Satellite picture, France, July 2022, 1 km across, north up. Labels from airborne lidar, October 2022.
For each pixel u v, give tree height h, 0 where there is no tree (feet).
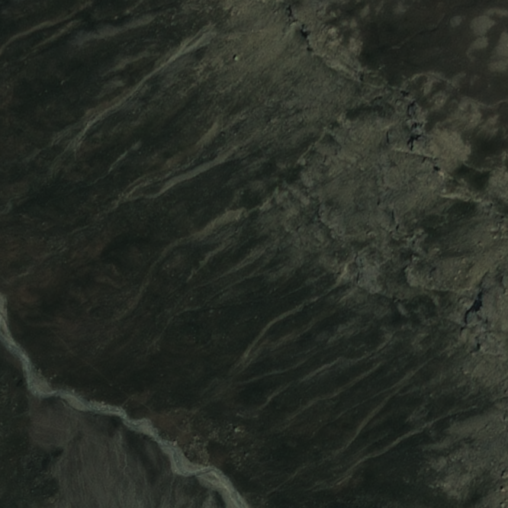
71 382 0
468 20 0
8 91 0
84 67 0
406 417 0
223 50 0
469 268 0
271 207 0
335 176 0
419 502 0
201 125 0
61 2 0
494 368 0
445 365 0
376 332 0
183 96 0
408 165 0
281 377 0
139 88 0
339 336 0
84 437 0
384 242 0
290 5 30
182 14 0
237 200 0
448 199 0
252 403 0
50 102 0
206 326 0
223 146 0
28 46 0
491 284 0
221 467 0
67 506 0
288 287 0
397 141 0
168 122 0
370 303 0
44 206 0
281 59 0
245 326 0
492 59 0
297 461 0
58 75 0
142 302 0
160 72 0
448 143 0
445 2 0
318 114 0
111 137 0
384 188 0
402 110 0
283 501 0
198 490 0
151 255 0
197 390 0
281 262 0
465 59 0
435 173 0
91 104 0
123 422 0
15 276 0
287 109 0
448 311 0
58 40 0
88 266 0
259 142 0
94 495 0
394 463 0
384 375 0
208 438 0
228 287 0
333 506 0
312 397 0
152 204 0
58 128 0
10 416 0
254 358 0
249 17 0
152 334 0
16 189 0
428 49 0
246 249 0
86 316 0
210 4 0
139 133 0
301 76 0
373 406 0
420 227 0
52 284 0
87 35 0
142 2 0
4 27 0
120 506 0
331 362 0
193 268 0
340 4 0
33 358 0
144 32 0
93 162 0
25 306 0
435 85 0
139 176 0
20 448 0
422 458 0
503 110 0
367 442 0
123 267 0
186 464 0
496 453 0
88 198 0
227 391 0
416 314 0
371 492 0
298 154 0
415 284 0
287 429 0
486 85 0
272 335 0
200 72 0
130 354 0
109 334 0
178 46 0
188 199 0
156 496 0
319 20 0
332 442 0
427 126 0
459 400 0
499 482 0
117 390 0
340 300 0
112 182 0
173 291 0
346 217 0
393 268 0
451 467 0
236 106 0
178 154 0
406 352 0
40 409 0
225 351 0
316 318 0
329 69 0
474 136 0
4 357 0
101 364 0
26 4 0
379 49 0
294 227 0
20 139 0
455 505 0
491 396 0
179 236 0
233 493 0
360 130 0
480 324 0
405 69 0
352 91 0
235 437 0
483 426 0
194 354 0
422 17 0
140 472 0
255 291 0
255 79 0
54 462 0
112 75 0
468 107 0
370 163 0
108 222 0
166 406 0
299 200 0
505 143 0
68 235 0
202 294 0
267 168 0
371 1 0
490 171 0
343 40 0
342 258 0
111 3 0
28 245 0
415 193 0
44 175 0
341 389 0
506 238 0
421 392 0
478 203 0
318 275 0
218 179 0
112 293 0
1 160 0
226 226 0
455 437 0
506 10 0
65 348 0
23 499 0
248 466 0
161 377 0
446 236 0
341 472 0
